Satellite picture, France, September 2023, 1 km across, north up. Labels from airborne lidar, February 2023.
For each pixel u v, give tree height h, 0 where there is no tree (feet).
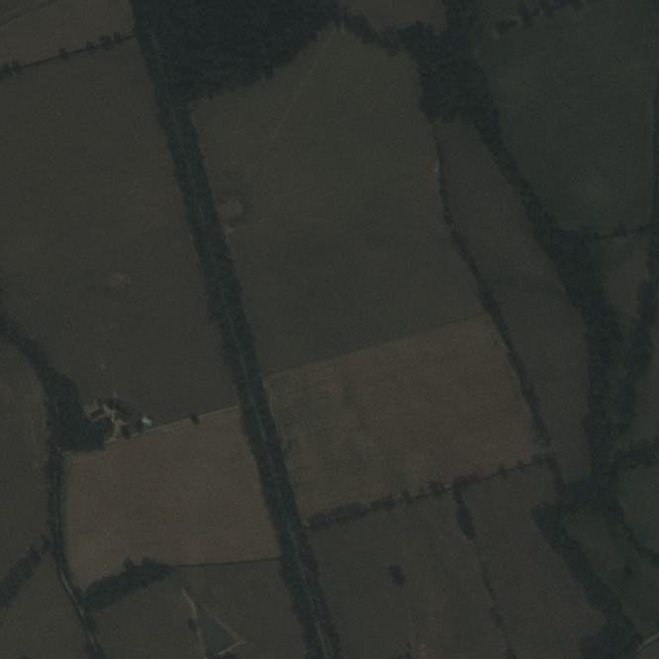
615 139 0
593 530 0
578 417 0
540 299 0
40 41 0
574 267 84
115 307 0
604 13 0
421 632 0
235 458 0
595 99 0
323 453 0
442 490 37
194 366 0
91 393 0
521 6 0
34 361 45
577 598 0
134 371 0
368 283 0
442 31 0
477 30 0
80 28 0
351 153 0
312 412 0
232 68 66
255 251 0
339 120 0
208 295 66
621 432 39
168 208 0
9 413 0
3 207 0
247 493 0
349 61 0
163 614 0
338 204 0
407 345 0
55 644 0
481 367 0
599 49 0
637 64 0
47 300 0
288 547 68
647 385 0
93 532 0
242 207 0
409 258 0
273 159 0
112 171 0
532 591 0
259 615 0
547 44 0
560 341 0
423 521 0
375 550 0
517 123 0
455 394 0
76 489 0
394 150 0
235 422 0
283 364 0
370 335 0
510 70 0
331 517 38
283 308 0
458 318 0
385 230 0
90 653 66
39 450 0
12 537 0
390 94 0
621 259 0
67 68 0
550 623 0
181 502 0
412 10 0
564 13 0
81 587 0
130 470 0
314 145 0
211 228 68
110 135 0
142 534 0
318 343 0
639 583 0
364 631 0
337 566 0
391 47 73
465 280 0
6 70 38
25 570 62
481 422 0
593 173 0
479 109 61
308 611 66
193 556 0
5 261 0
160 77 60
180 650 0
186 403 0
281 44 63
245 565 0
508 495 0
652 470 0
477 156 0
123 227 0
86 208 0
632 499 0
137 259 0
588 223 0
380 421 0
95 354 0
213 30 86
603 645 70
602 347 51
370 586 0
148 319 0
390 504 52
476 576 0
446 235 0
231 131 0
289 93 0
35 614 0
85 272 0
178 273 0
